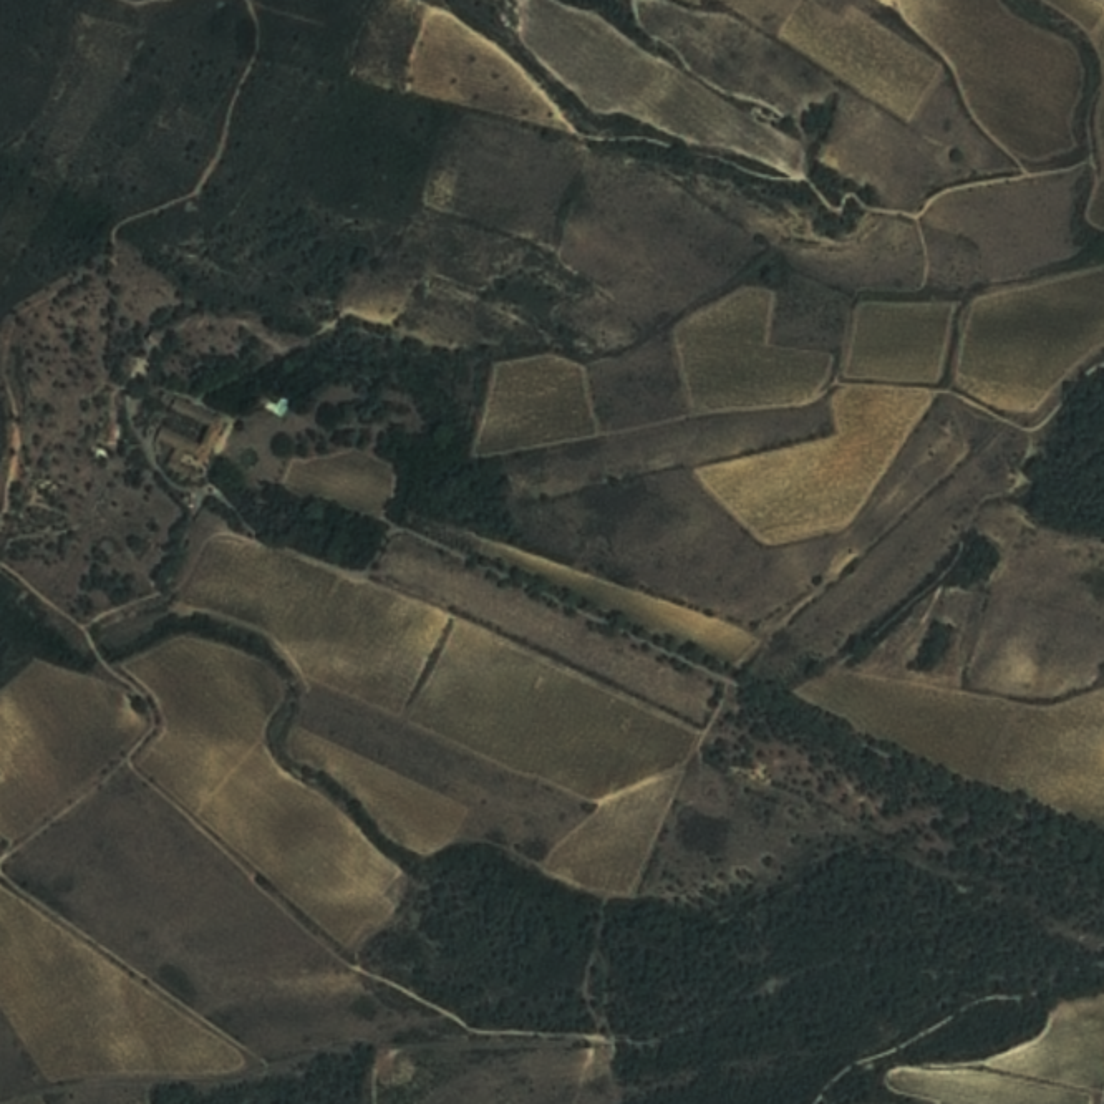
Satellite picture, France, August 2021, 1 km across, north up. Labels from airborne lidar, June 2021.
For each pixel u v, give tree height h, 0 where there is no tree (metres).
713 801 0
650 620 0
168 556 11
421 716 0
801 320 0
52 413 11
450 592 0
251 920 0
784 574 0
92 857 0
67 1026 0
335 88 7
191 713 0
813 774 7
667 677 0
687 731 0
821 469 0
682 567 0
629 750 0
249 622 0
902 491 0
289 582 0
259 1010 0
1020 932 10
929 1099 0
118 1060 0
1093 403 9
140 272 0
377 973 0
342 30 0
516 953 9
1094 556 0
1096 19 0
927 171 0
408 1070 0
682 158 13
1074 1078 0
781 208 0
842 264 0
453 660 0
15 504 8
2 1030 0
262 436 0
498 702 0
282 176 0
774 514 0
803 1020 9
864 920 9
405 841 0
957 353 0
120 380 15
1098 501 10
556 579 0
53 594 0
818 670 11
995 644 0
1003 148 0
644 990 11
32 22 0
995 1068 0
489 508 9
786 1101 8
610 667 0
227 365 17
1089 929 7
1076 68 0
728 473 0
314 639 0
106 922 0
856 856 9
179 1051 0
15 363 0
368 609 0
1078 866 12
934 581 6
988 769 0
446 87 0
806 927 10
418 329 0
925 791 11
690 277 0
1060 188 0
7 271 0
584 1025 9
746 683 14
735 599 0
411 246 0
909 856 0
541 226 0
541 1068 0
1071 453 9
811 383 0
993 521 0
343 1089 10
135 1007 0
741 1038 10
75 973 0
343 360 8
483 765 0
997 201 0
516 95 0
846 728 13
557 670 0
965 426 0
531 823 0
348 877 0
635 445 0
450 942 5
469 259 0
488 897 10
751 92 0
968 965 8
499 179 0
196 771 0
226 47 0
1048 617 0
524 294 0
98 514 0
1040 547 0
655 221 0
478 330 0
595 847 0
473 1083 0
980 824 15
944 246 0
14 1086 0
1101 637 0
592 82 0
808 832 0
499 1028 8
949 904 13
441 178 0
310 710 0
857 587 0
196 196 0
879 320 0
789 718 16
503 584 8
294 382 11
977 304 0
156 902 0
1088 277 0
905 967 9
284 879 0
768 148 0
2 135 0
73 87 0
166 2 0
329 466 0
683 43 0
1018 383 0
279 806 0
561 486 0
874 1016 9
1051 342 0
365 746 0
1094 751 0
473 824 0
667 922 13
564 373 0
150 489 8
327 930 0
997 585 0
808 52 0
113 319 9
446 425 10
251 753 0
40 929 0
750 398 0
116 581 10
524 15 0
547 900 11
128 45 0
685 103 0
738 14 0
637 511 0
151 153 0
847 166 0
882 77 0
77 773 0
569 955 12
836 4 0
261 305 9
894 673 0
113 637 0
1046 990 11
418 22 0
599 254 0
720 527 0
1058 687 0
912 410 0
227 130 0
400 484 7
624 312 0
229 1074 0
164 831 0
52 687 0
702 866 0
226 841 0
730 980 10
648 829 0
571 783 0
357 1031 0
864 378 0
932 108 0
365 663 0
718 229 0
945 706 0
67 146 0
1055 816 17
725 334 0
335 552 16
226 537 0
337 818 0
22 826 0
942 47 0
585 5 7
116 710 0
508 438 0
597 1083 0
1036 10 0
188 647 0
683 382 0
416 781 0
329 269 11
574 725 0
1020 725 0
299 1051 0
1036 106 0
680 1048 8
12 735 0
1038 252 0
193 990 0
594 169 0
